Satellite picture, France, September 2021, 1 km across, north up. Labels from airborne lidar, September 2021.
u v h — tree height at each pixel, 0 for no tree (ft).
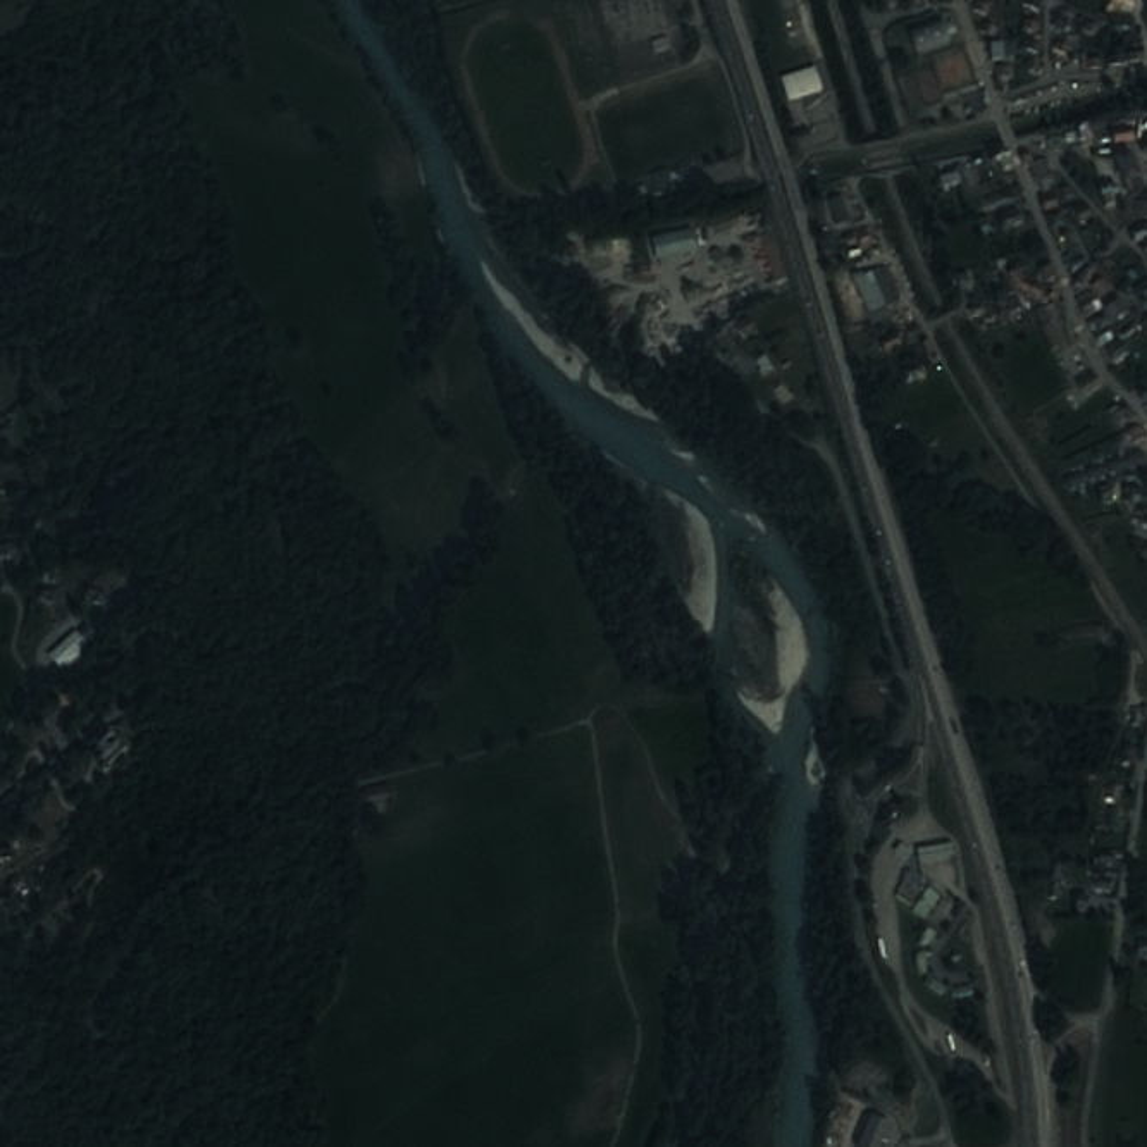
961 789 0
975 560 0
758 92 0
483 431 0
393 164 0
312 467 101
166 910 55
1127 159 0
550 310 72
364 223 0
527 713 0
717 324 42
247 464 71
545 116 0
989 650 0
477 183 66
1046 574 0
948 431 0
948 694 0
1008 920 0
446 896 0
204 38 93
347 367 0
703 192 75
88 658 38
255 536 43
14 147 43
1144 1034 0
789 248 0
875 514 0
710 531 0
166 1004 52
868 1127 0
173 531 57
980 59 0
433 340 63
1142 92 58
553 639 0
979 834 0
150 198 62
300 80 0
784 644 0
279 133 0
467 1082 0
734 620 0
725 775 89
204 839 127
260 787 84
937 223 33
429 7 54
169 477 39
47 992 45
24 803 37
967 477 37
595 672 0
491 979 0
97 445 79
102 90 86
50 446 40
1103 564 0
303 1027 94
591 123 0
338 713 92
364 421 0
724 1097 79
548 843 0
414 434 0
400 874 0
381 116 0
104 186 63
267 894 27
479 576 48
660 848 0
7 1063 60
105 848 47
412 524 0
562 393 0
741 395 81
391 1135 0
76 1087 75
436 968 0
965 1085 73
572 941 0
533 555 0
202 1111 42
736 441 79
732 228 0
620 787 0
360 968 0
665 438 0
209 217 81
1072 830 39
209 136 0
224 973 69
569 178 0
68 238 76
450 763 32
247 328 106
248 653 72
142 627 52
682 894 72
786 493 64
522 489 0
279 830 60
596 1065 0
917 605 0
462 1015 0
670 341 0
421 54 48
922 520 69
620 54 0
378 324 0
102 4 70
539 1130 0
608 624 78
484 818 0
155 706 51
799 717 0
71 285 47
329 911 75
